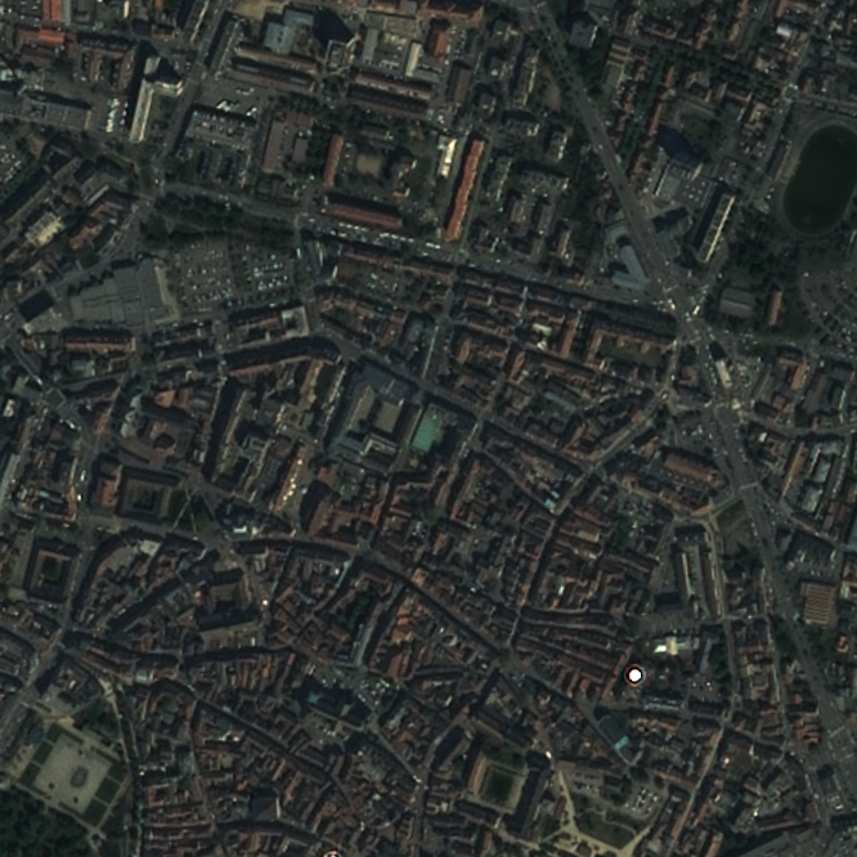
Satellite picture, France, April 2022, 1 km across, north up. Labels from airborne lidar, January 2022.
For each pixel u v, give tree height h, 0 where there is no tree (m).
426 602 0
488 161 0
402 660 0
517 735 0
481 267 0
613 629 0
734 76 14
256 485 0
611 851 0
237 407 0
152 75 0
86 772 0
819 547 0
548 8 0
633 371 0
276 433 7
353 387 0
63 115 0
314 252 0
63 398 0
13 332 0
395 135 0
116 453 5
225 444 0
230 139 0
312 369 0
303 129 0
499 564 0
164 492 0
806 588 0
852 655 0
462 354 0
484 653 0
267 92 0
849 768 0
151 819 0
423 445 0
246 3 0
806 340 0
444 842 0
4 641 0
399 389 0
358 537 0
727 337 0
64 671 0
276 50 0
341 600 0
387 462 0
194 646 0
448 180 15
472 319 0
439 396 0
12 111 0
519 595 0
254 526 0
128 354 0
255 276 0
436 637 0
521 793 0
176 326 0
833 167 0
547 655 0
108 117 0
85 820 0
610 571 0
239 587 0
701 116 0
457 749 0
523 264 0
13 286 0
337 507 0
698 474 0
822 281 0
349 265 17
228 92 0
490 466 0
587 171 10
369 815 0
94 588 0
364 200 0
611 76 0
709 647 0
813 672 0
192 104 0
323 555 0
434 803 0
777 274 11
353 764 0
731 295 0
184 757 0
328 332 0
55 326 0
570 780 0
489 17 10
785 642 13
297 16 0
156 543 0
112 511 0
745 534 0
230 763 0
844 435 0
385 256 0
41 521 16
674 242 0
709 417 0
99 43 0
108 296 0
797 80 0
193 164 0
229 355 0
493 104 0
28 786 0
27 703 0
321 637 0
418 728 0
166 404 0
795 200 0
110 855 14
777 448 0
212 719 0
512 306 0
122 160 0
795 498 0
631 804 0
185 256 0
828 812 0
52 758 0
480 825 0
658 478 0
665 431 0
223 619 0
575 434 0
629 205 0
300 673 0
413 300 11
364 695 0
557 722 0
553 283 0
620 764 0
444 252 0
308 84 0
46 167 0
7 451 0
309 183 0
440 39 0
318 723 0
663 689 0
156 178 0
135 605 0
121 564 0
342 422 0
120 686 0
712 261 9
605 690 0
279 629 0
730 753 0
